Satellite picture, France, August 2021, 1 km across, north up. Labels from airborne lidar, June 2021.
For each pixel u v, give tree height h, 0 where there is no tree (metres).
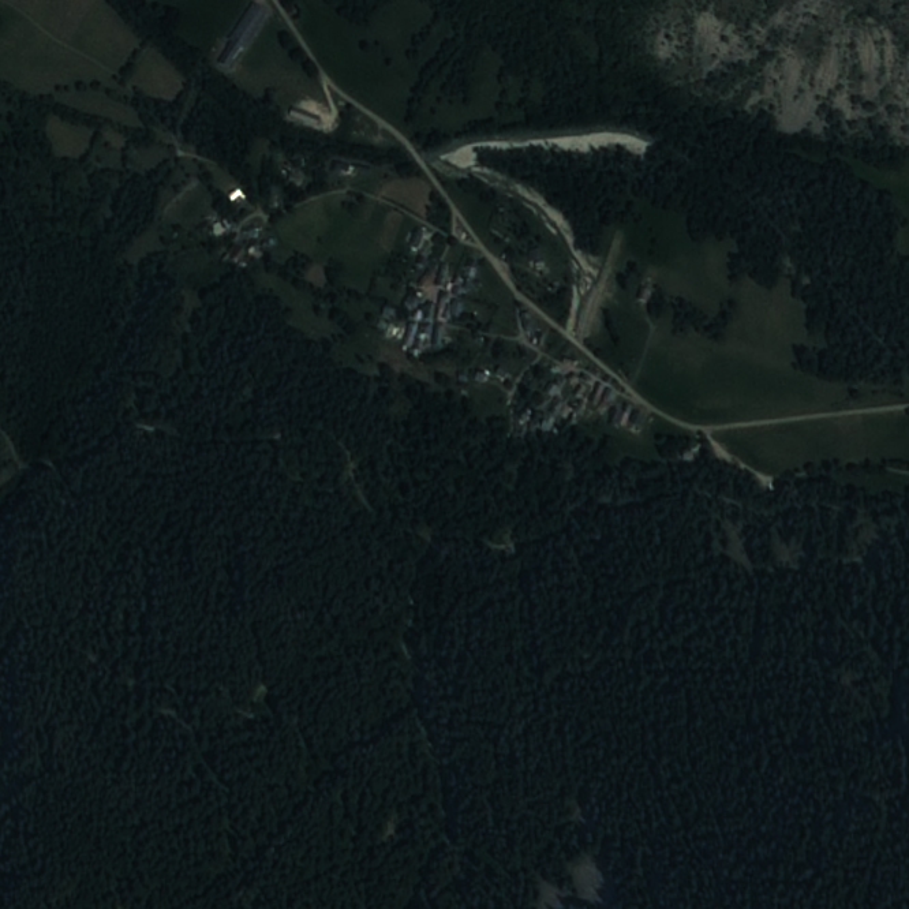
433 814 26
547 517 23
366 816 27
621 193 17
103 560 28
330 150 11
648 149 0
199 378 17
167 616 29
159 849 21
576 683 28
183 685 32
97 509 26
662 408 0
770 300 0
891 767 27
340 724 26
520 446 11
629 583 27
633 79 13
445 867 38
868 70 0
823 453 0
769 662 27
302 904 23
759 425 0
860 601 29
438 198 7
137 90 9
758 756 29
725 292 0
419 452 23
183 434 17
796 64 0
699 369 0
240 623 27
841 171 17
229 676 21
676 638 25
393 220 0
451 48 11
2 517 19
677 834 20
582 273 0
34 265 24
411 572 24
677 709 25
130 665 19
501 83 12
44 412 14
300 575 29
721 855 21
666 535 30
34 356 22
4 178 34
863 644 11
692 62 6
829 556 25
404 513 19
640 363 0
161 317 29
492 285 0
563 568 27
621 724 19
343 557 35
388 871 31
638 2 6
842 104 0
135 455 25
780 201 15
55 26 0
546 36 17
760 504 12
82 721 23
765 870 22
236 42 0
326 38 0
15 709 18
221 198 11
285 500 21
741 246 11
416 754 25
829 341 7
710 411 0
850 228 12
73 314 20
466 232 0
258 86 0
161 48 10
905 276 10
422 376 0
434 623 19
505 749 27
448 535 16
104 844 24
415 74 0
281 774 27
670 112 15
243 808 31
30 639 25
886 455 0
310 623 37
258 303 12
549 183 23
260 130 14
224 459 26
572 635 26
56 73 0
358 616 35
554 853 19
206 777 34
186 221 0
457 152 0
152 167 0
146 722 14
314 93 0
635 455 0
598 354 10
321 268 0
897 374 14
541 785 27
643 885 21
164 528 7
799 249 10
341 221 0
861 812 10
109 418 27
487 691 30
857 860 19
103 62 0
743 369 0
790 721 20
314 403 27
